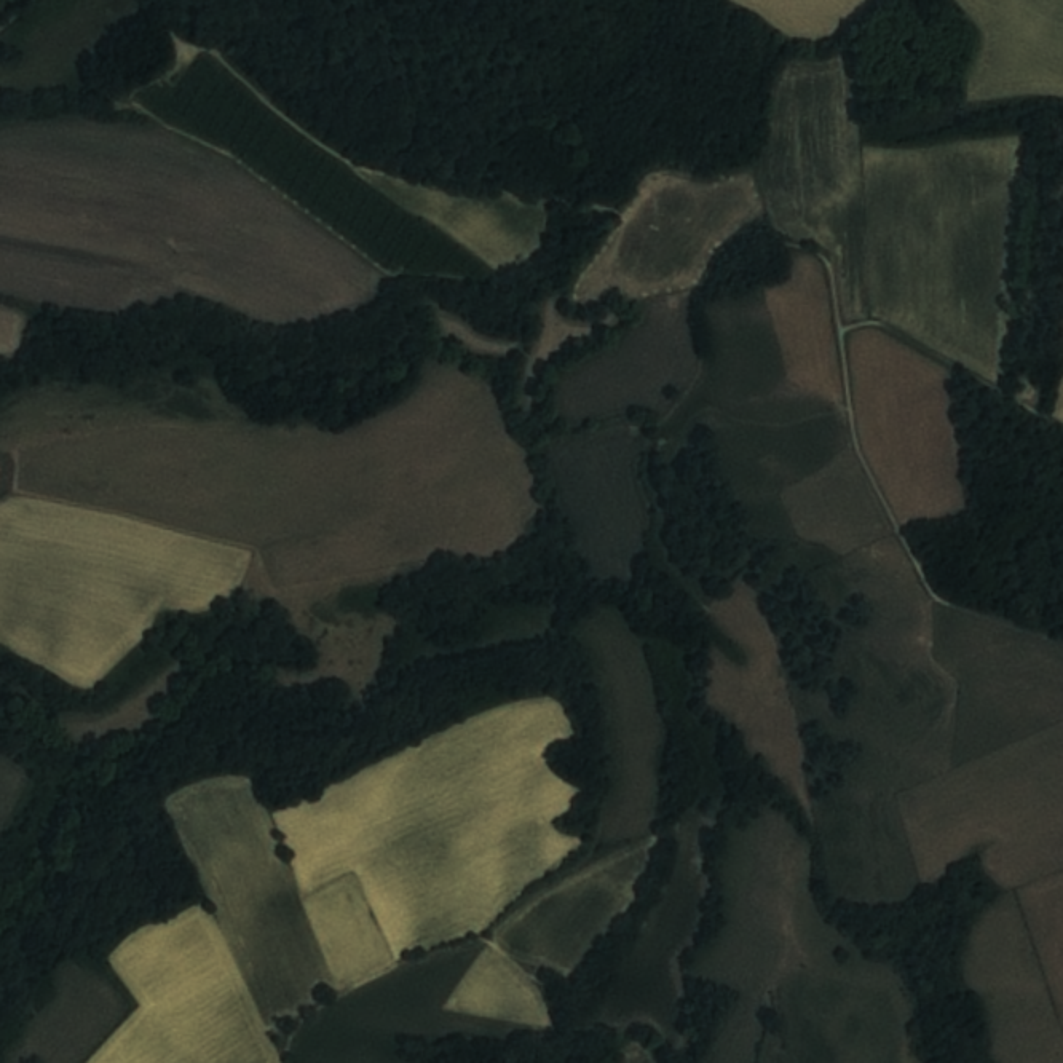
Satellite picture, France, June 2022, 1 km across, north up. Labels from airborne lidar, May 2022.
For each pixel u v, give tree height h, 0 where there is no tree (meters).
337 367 22
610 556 0
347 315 14
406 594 25
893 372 0
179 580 0
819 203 0
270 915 0
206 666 24
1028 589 12
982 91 0
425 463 0
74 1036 0
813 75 0
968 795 0
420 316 18
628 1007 0
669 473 24
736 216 0
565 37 11
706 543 7
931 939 9
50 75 0
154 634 17
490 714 0
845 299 0
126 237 0
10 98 18
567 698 9
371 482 0
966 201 0
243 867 0
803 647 15
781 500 0
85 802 9
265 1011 0
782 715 0
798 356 0
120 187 0
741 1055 0
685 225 0
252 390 26
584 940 0
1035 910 0
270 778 13
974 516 9
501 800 0
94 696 8
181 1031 0
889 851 0
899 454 0
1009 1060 0
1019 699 0
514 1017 0
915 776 0
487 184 19
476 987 0
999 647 0
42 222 0
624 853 0
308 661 25
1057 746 0
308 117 13
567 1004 25
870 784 0
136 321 20
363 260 0
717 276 14
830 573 0
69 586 0
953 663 0
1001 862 0
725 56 22
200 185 0
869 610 18
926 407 0
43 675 10
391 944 0
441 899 0
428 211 0
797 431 0
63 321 22
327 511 0
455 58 14
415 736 13
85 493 0
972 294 0
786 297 0
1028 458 12
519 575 24
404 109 22
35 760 7
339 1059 0
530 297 22
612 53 15
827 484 0
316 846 0
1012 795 0
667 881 23
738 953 0
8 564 0
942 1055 13
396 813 0
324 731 23
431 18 21
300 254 0
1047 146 14
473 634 6
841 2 0
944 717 0
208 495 0
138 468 0
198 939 0
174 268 0
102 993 0
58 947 8
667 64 19
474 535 0
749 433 0
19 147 0
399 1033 0
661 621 14
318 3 24
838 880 0
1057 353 21
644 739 0
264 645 26
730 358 0
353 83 19
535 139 19
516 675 18
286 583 0
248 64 12
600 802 8
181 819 0
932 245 0
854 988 0
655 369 0
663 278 0
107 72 22
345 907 0
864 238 0
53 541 0
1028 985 0
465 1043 18
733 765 23
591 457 0
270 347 18
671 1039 0
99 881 10
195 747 22
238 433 0
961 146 0
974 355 0
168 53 11
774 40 14
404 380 9
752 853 0
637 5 11
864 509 0
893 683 0
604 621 0
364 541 0
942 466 0
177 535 0
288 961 0
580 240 20
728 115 23
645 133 20
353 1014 0
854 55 27
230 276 0
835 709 14
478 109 23
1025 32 0
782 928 0
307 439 0
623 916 13
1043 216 10
